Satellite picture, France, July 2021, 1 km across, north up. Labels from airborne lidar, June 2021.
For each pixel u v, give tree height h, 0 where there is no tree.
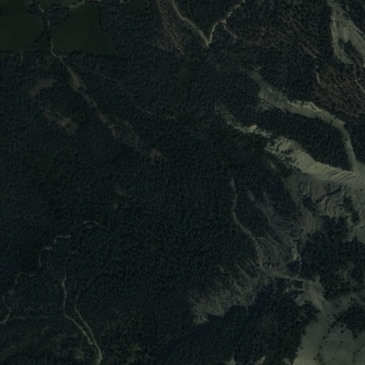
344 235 8
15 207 19
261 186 19
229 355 22
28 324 16
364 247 12
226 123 10
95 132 17
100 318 7
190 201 13
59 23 8
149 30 11
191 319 12
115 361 6
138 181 17
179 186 19
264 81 7
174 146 11
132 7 0
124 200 10
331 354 0
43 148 14
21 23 0
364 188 0
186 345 24
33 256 16
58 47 0
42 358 18
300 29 7
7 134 9
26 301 9
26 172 14
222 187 12
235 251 12
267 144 7
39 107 16
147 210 18
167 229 27
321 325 0
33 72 15
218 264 20
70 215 11
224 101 9
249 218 10
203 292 11
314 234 8
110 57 12
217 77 10
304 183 0
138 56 18
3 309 20
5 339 11
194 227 17
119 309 8
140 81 13
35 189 15
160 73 13
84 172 17
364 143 15
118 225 19
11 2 0
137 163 16
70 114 10
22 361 18
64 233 21
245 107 6
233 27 16
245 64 12
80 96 13
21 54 15
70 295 6
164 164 10
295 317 11
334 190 0
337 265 15
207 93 15
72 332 10
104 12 14
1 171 9
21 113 21
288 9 18
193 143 14
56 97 14
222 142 15
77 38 0
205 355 26
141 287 24
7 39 0
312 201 12
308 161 0
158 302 22
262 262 0
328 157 12
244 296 0
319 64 17
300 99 6
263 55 14
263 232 8
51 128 19
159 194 16
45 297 12
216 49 11
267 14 11
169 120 9
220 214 24
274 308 17
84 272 20
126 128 17
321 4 8
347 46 7
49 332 8
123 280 30
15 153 9
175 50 15
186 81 0
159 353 15
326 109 7
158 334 23
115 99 23
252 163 7
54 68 14
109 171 14
